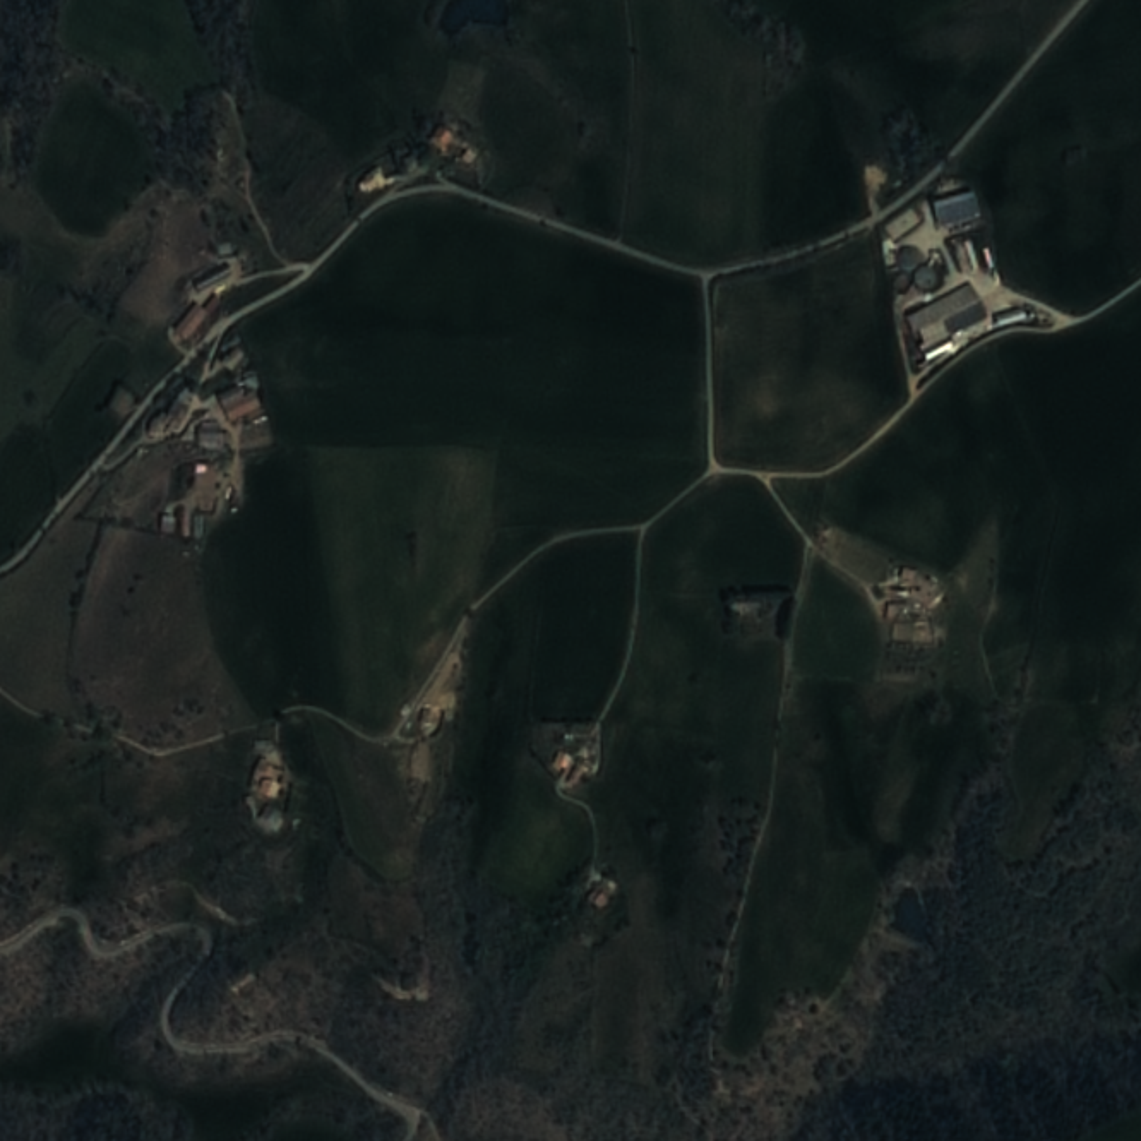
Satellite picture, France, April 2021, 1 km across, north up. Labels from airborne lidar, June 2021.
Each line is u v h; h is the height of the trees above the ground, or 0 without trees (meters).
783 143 0
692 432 0
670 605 0
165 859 11
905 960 12
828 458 0
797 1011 7
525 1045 0
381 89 0
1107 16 0
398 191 0
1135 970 0
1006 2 0
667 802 0
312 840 0
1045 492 0
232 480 0
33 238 0
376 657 0
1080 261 0
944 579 0
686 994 9
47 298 0
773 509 0
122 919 8
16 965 7
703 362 0
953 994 9
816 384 0
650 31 0
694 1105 8
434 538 0
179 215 0
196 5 15
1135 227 0
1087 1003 18
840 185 0
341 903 0
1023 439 0
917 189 0
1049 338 0
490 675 0
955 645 0
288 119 0
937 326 0
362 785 0
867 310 0
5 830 0
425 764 0
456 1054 19
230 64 16
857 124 0
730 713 0
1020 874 7
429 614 0
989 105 0
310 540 0
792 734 0
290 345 0
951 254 0
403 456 0
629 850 0
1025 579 0
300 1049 11
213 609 0
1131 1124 0
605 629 0
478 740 0
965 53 0
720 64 0
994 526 0
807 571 0
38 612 0
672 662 0
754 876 0
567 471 0
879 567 0
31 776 0
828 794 0
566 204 0
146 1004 12
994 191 0
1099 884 11
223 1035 6
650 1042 0
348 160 0
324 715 0
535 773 0
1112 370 0
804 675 0
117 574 0
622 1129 12
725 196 0
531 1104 11
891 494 0
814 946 0
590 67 0
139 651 0
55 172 0
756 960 0
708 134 0
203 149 7
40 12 14
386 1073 12
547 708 0
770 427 0
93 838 0
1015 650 0
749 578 0
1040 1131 18
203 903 0
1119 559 0
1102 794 9
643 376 0
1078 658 0
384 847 0
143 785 0
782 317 0
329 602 0
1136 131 0
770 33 11
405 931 0
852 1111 11
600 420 0
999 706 10
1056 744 0
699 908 0
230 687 0
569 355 0
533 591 0
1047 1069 14
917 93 0
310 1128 0
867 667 0
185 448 0
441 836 6
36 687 0
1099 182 0
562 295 0
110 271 0
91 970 8
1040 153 0
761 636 0
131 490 0
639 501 0
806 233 0
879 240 0
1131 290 0
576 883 6
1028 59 0
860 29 0
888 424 0
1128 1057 20
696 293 0
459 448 0
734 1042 0
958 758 0
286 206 0
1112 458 0
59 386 0
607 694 0
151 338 0
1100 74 0
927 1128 23
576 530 0
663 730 0
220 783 0
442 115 6
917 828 0
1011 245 0
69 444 0
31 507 0
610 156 0
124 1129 23
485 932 8
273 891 13
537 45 0
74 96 0
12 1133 18
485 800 0
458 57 0
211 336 0
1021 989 9
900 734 0
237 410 0
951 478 0
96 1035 0
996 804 12
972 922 13
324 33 0
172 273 0
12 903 8
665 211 0
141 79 0
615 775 0
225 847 0
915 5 0
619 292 0
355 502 0
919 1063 16
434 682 0
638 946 0
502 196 0
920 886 13
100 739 12
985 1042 12
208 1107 0
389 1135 25
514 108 0
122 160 0
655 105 0
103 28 0
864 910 0
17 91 15
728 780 0
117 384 6
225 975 10
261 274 0
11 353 0
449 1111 10
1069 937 6
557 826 0
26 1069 0
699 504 0
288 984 13
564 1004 0
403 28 0
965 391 0
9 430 0
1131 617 0
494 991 16
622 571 0
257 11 0
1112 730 0
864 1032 13
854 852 0
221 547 0
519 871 0
